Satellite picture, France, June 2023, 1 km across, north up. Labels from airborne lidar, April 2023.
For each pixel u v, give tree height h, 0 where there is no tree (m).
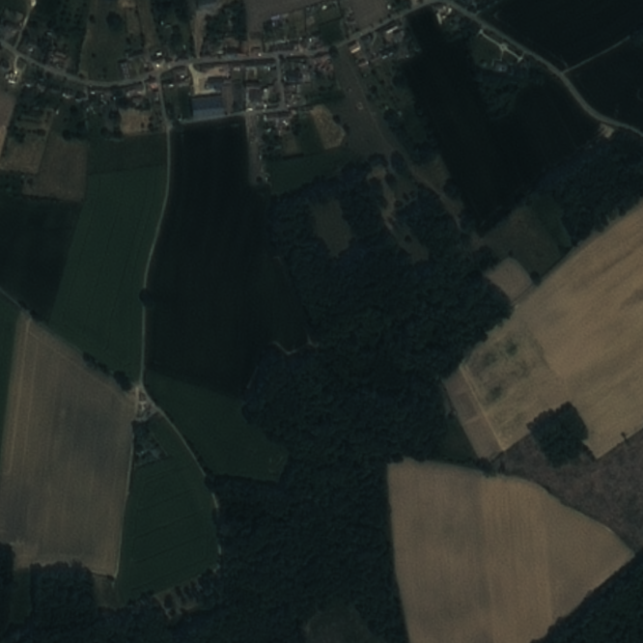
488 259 13
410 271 32
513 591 0
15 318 0
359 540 17
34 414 0
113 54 0
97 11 0
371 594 23
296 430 29
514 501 0
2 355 0
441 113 0
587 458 19
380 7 0
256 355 0
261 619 24
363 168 17
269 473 0
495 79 18
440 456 10
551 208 0
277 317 0
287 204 19
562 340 0
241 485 19
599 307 0
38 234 0
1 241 0
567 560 0
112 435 0
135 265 0
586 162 23
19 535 0
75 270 0
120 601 0
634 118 0
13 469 0
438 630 0
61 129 0
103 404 0
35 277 0
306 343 0
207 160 0
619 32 0
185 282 0
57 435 0
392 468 0
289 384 24
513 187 0
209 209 0
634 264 0
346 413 23
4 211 0
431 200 25
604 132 0
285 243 24
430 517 0
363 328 20
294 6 0
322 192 30
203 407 0
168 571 0
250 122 0
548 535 0
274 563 24
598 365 0
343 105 0
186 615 22
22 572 0
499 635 0
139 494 0
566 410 11
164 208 0
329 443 28
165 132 0
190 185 0
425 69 0
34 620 14
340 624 0
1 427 0
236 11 8
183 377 0
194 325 0
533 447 22
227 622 21
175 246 0
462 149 0
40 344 0
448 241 31
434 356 25
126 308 0
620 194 27
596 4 0
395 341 25
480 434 0
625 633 25
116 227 0
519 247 0
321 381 16
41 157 0
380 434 20
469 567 0
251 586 23
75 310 0
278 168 0
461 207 0
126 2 0
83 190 0
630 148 9
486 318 29
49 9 0
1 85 0
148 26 0
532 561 0
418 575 0
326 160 0
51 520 0
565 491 23
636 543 17
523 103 0
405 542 0
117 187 0
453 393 0
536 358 0
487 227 0
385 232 26
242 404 0
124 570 0
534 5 0
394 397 24
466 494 0
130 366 0
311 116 0
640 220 0
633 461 0
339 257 0
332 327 24
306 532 25
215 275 0
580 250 0
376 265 36
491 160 0
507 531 0
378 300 23
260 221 0
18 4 0
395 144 0
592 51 0
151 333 0
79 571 27
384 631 22
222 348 0
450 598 0
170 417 5
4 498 0
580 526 0
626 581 19
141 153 0
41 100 6
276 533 26
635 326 0
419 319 24
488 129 0
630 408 0
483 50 0
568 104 0
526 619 0
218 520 30
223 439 0
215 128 0
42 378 0
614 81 0
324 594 24
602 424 0
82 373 0
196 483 0
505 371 0
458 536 0
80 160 0
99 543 0
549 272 0
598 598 21
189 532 0
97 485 0
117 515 0
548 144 0
